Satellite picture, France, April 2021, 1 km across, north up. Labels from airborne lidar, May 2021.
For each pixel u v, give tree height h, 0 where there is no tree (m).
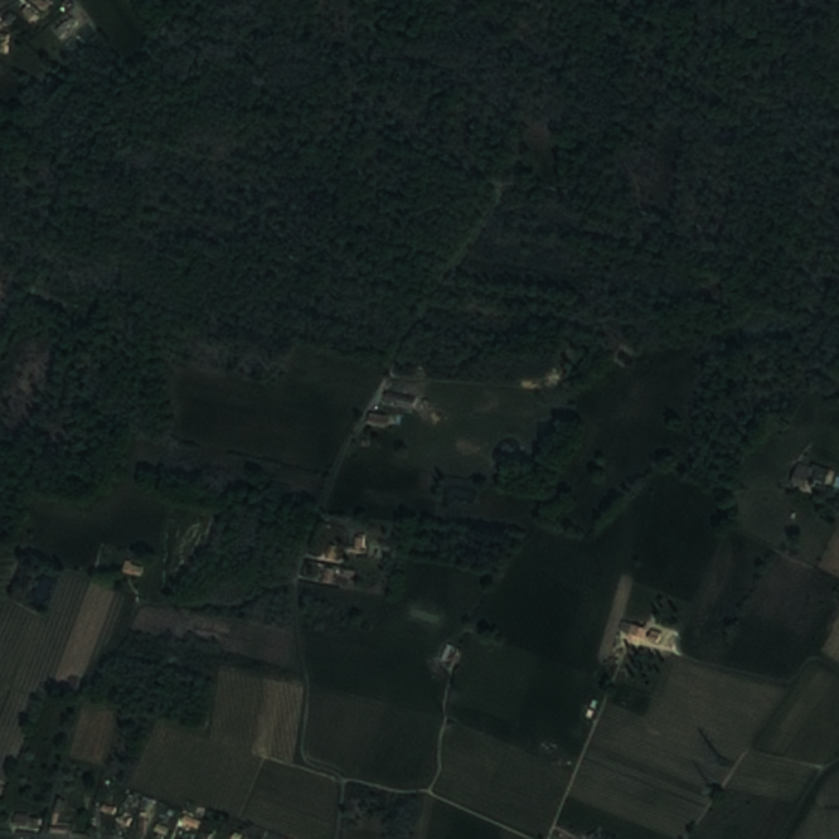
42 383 9
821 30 20
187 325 18
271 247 21
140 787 0
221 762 0
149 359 17
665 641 0
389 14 14
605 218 22
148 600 0
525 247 15
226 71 18
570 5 16
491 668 0
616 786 0
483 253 12
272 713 0
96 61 13
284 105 15
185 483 21
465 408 0
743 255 20
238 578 17
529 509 0
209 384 0
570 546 0
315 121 20
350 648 0
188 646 7
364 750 0
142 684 11
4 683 0
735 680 0
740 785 0
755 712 0
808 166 22
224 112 19
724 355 23
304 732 0
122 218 8
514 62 20
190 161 9
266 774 0
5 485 19
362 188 20
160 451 8
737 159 20
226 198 12
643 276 14
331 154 19
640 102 10
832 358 27
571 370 14
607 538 0
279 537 19
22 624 0
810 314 24
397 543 13
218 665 0
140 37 0
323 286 17
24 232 15
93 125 10
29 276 16
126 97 17
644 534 0
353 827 11
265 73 9
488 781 0
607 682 10
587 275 10
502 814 0
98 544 0
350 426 0
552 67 18
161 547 0
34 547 0
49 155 17
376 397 0
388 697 0
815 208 22
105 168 18
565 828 0
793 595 0
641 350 20
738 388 18
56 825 0
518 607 0
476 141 20
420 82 20
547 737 0
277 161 21
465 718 0
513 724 0
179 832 0
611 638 0
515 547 16
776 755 0
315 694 0
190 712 14
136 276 17
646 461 0
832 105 14
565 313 18
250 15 20
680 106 22
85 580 0
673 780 0
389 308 17
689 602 0
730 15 22
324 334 17
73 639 0
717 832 0
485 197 21
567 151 17
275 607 15
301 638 0
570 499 19
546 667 0
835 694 0
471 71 14
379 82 24
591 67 23
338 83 20
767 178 20
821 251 15
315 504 18
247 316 17
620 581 0
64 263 11
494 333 14
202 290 17
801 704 0
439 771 0
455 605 0
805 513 0
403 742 0
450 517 0
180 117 20
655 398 0
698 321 21
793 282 28
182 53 17
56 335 14
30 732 18
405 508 0
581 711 0
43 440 23
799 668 0
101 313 20
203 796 0
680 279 15
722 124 15
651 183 11
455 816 0
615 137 25
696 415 13
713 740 0
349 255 12
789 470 0
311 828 0
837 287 23
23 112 19
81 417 22
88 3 0
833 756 0
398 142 22
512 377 10
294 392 0
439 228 21
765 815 0
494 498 0
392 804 0
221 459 0
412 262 18
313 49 25
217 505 20
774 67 18
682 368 0
